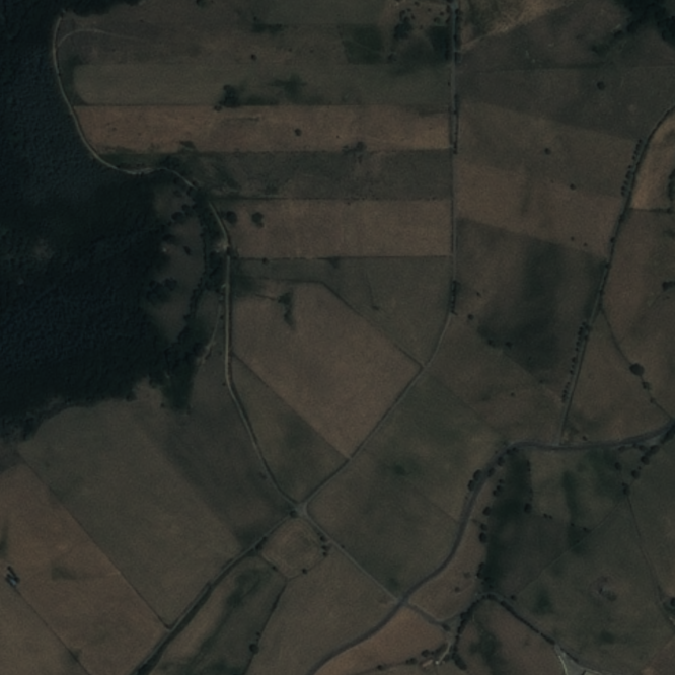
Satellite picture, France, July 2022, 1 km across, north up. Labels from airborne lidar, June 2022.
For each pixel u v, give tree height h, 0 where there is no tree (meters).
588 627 0
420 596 0
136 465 0
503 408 0
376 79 0
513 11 0
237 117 0
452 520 0
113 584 0
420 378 0
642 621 0
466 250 0
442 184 0
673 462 0
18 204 19
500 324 0
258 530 0
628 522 0
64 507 0
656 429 0
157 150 0
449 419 0
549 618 0
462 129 0
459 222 0
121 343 17
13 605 0
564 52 0
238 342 0
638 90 0
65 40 0
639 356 0
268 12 0
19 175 17
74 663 0
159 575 0
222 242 0
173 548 0
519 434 0
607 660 0
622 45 0
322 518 0
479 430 0
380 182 0
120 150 0
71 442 0
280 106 0
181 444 0
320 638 0
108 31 0
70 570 0
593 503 0
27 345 25
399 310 0
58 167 10
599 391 0
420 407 0
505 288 0
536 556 0
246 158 0
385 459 0
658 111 0
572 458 0
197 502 0
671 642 0
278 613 0
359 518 0
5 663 0
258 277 0
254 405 0
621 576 0
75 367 17
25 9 13
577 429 0
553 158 0
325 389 0
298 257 0
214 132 0
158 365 18
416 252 0
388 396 0
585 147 0
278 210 0
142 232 25
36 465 0
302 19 0
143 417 0
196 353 10
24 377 18
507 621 0
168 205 0
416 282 0
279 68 0
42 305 27
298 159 0
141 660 0
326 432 0
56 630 0
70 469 0
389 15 0
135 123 0
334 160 0
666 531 0
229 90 9
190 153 0
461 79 0
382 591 0
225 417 0
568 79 0
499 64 0
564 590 0
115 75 0
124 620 0
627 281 0
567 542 0
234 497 0
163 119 0
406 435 0
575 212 0
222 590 0
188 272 0
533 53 0
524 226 0
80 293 22
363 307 0
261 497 0
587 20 0
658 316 0
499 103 0
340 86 0
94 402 8
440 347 0
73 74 0
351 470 0
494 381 0
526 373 0
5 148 22
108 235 13
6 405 16
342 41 0
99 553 0
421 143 0
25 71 14
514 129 0
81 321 15
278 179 0
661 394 0
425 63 0
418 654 0
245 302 0
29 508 0
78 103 0
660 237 0
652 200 0
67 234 10
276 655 0
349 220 0
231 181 0
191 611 0
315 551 0
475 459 0
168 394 0
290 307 0
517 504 0
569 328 0
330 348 0
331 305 0
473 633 0
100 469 0
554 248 0
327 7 0
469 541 0
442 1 0
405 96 0
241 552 0
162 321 0
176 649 0
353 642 0
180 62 0
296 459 0
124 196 12
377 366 0
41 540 0
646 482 0
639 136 0
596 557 0
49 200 12
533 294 0
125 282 24
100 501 0
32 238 12
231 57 0
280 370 0
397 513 0
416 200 0
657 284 0
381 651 0
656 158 0
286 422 0
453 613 0
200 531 0
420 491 0
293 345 0
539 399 0
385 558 0
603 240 0
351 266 0
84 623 0
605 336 0
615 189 0
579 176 0
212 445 0
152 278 16
